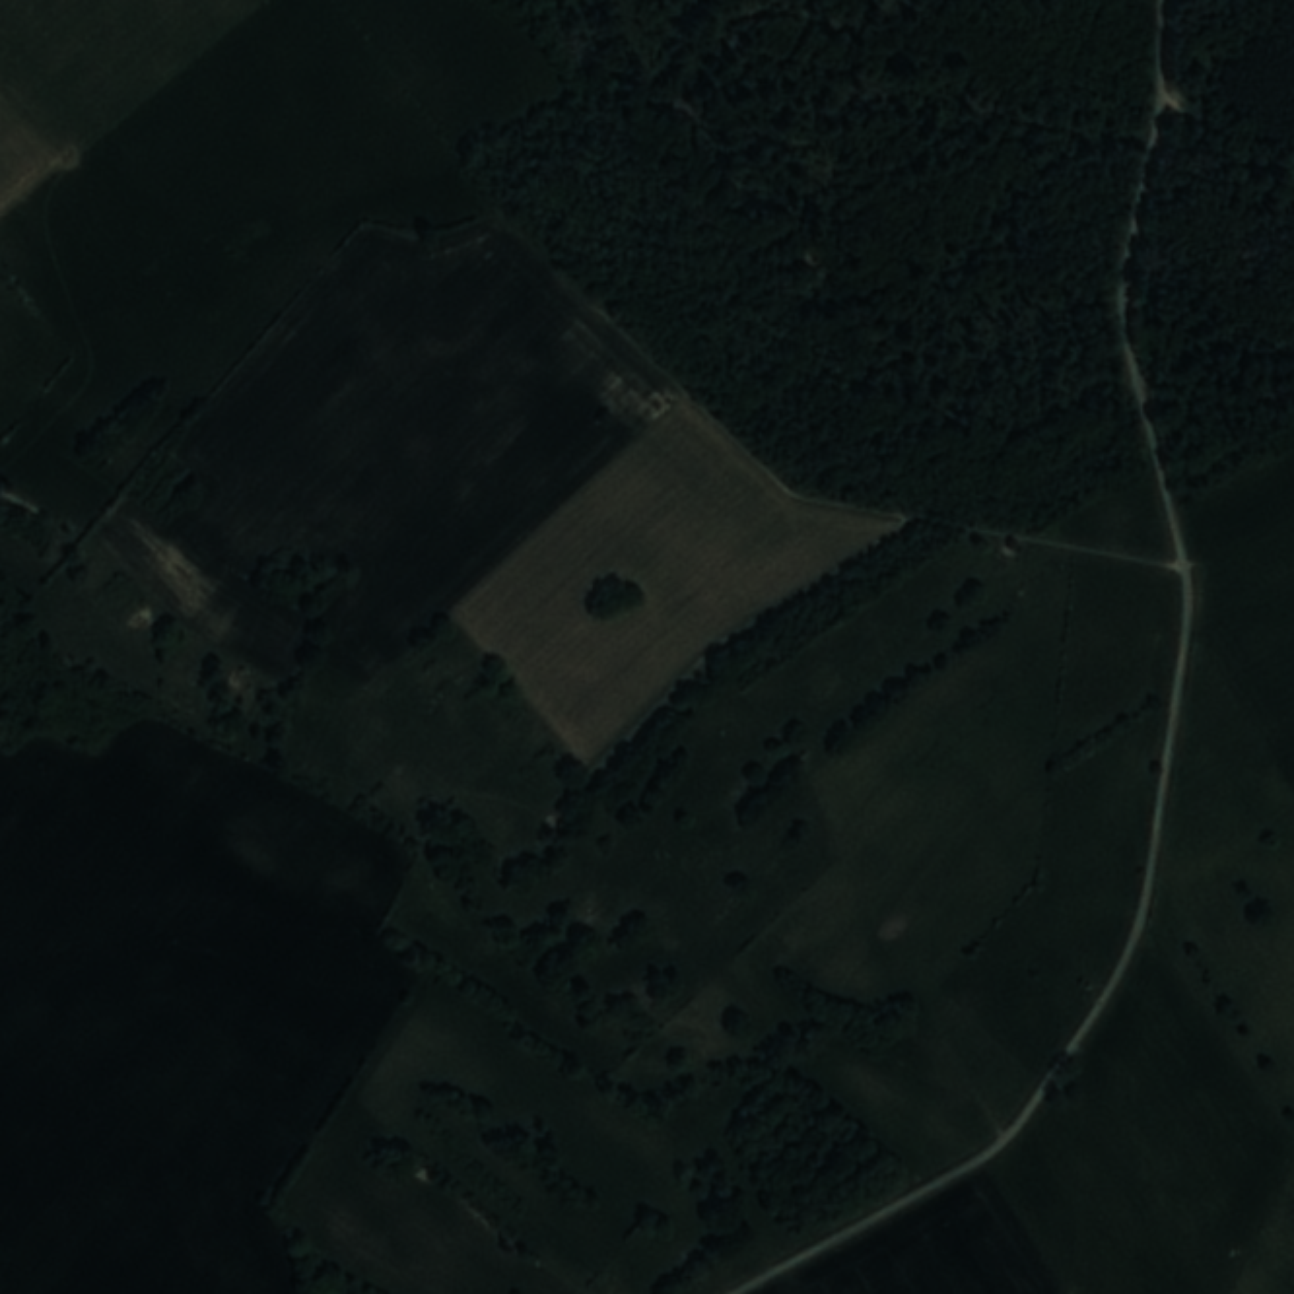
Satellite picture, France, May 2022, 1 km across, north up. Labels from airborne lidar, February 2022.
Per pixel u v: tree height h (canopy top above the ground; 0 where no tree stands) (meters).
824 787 0
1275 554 0
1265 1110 0
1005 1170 0
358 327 0
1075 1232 0
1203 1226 0
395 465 0
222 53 0
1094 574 0
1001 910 0
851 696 0
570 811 14
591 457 0
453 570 0
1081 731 0
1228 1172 0
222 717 14
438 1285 0
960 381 14
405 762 0
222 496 0
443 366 0
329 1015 0
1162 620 0
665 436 0
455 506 0
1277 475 0
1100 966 0
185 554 0
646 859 0
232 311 0
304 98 0
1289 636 0
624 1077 0
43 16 0
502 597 0
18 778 0
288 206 0
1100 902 0
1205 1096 0
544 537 0
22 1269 0
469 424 0
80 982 0
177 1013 0
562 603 0
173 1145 0
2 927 0
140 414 14
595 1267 0
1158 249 20
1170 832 0
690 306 16
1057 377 23
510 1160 11
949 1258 0
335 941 0
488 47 0
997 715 0
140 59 0
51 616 0
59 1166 0
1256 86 13
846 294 15
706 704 11
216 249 0
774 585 0
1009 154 13
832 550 0
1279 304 22
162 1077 0
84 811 0
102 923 0
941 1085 0
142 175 0
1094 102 9
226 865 0
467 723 0
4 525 11
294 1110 0
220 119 0
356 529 0
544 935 17
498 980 0
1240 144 20
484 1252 0
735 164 30
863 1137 19
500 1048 0
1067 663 0
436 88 0
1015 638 0
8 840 0
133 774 0
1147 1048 0
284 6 0
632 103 28
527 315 0
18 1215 0
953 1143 0
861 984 0
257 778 0
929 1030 0
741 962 0
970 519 11
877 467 18
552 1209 0
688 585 0
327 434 0
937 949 0
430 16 0
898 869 0
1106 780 0
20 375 0
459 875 13
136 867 0
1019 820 0
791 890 0
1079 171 14
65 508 0
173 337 0
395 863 0
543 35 17
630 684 0
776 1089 10
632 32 0
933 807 0
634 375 0
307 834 0
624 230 18
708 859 0
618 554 0
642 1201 0
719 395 14
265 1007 0
